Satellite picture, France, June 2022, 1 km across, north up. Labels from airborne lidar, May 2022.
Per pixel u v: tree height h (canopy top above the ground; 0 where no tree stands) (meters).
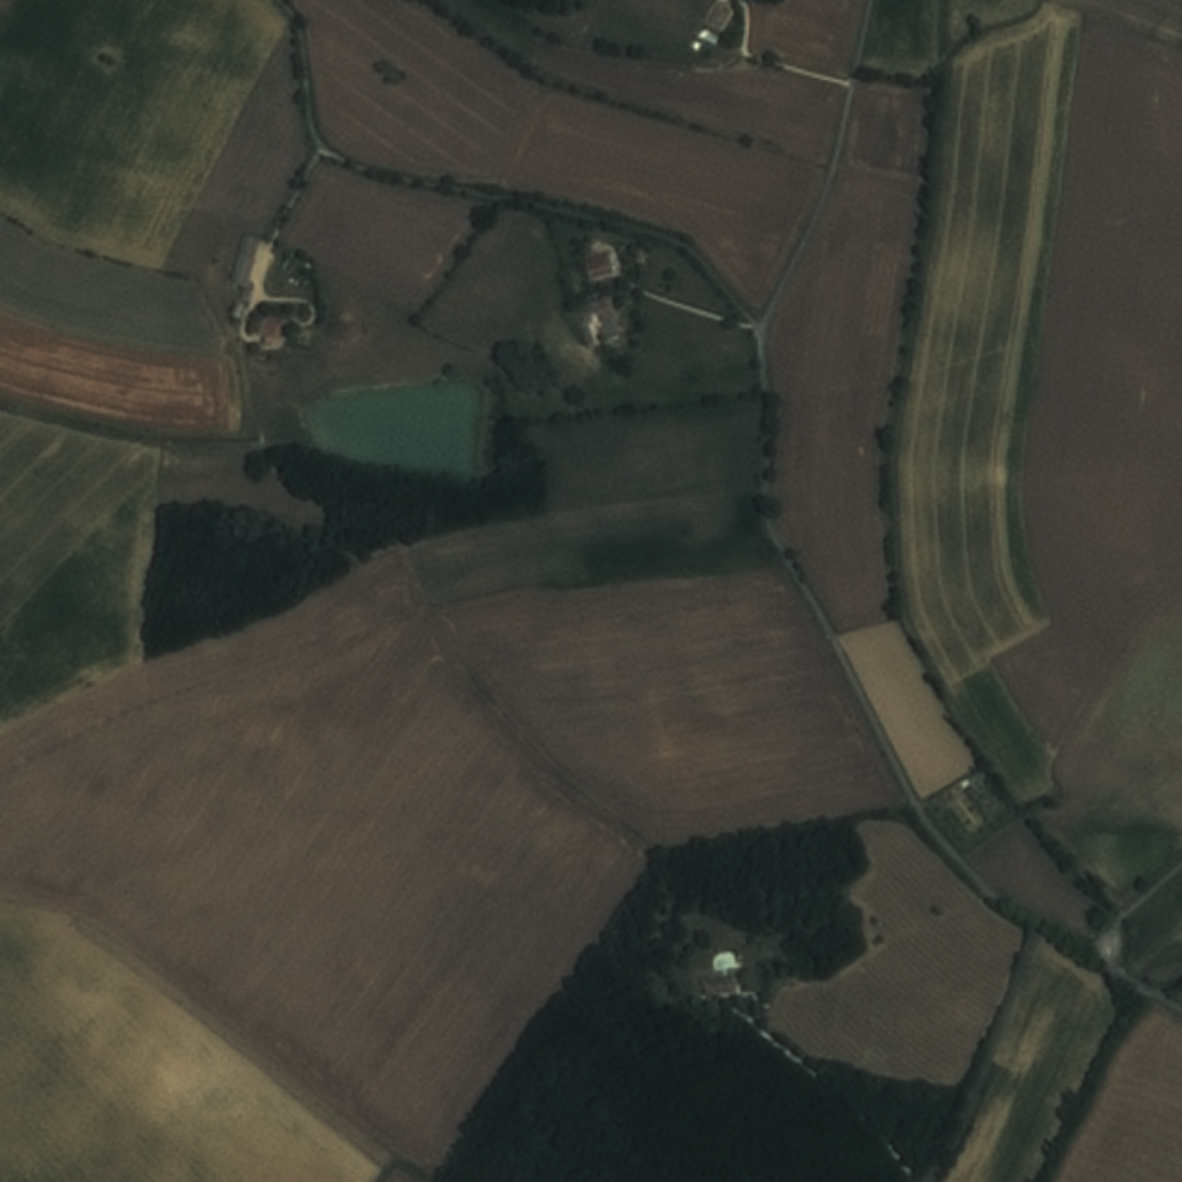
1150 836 0
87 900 0
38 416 0
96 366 0
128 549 0
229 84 0
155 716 0
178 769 0
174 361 0
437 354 0
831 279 0
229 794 0
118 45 0
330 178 0
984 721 0
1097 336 0
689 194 0
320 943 0
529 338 0
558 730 0
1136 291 0
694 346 0
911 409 0
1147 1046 0
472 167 0
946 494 0
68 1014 0
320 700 0
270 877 0
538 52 0
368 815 0
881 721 0
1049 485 0
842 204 0
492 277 0
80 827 0
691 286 0
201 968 0
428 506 13
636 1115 20
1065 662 0
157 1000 0
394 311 0
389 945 0
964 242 0
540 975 0
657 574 0
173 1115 0
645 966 14
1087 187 0
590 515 0
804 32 0
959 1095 10
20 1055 0
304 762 0
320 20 0
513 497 13
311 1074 0
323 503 18
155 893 0
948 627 0
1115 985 22
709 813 0
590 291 5
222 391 0
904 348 10
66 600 0
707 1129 22
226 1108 0
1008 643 0
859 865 17
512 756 0
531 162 0
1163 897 0
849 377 0
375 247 0
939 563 0
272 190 0
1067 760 0
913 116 0
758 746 0
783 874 20
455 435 0
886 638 0
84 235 0
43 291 0
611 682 0
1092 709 0
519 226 0
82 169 0
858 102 0
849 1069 14
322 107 0
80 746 0
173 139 0
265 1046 0
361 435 0
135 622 0
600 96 10
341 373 0
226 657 0
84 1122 0
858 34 0
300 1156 0
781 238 0
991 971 0
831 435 0
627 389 0
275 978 0
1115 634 0
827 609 0
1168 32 0
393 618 0
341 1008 0
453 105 0
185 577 16
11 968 0
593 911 0
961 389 0
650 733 0
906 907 0
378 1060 0
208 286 0
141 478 0
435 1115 0
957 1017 0
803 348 0
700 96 0
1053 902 0
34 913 0
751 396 7
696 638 0
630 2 0
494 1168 15
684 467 0
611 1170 24
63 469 0
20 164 0
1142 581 0
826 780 0
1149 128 0
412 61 0
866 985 0
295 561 12
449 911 0
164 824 0
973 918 0
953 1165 13
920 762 0
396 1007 0
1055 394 0
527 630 0
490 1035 0
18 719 0
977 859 0
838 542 0
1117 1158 0
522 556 0
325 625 0
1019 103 0
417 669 0
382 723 0
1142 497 0
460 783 0
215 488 0
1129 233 0
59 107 0
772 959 0
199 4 0
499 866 0
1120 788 0
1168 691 0
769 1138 22
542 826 0
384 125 0
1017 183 0
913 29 0
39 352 0
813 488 0
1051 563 0
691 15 0
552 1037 24
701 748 0
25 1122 0
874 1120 18
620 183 0
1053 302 0
